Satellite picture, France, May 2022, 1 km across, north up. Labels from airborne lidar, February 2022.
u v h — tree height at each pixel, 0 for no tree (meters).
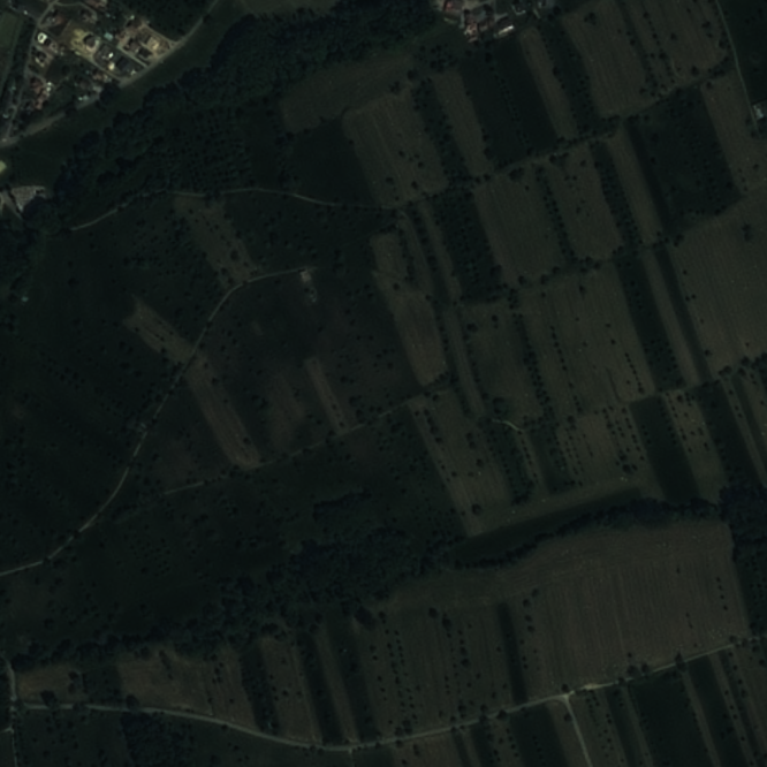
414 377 0
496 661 0
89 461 0
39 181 0
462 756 0
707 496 0
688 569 0
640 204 0
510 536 0
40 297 0
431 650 0
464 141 0
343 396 0
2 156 0
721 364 0
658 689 0
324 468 0
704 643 0
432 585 0
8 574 0
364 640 0
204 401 0
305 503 0
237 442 0
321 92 0
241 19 0
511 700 0
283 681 0
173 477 0
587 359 0
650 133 0
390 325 0
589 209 0
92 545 0
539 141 0
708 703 0
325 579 25
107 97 16
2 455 0
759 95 0
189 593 0
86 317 0
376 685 0
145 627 0
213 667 0
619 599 0
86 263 0
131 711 11
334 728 0
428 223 0
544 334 0
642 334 0
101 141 22
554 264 0
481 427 9
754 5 0
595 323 0
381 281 0
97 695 7
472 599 0
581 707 0
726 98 0
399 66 0
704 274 0
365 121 0
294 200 0
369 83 0
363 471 0
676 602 0
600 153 0
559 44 0
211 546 0
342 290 0
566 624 0
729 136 0
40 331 0
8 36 0
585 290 7
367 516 11
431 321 0
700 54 0
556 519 0
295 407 0
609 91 0
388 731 0
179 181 8
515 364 0
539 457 0
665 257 0
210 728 0
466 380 0
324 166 0
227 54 25
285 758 0
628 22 0
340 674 0
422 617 0
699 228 0
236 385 0
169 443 0
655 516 38
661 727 0
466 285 0
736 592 0
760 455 0
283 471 0
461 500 0
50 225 23
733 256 0
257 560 0
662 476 0
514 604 0
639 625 0
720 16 0
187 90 18
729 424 0
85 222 0
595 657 0
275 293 0
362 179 0
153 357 0
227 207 0
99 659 17
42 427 0
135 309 0
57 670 0
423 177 0
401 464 0
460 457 0
